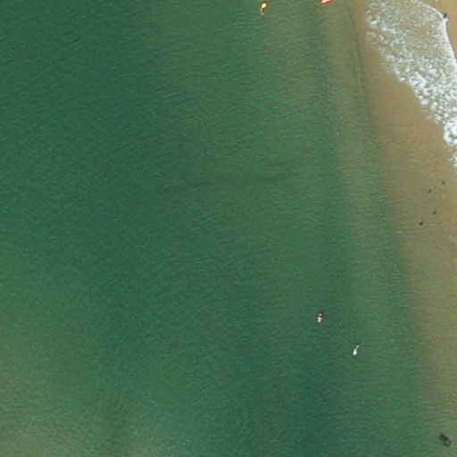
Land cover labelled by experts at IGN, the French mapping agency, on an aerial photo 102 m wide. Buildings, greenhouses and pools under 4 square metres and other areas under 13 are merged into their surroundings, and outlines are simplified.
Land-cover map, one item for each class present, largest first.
<instances>
[{"label":"water","instance_id":"1","mask_svg":"<svg viewBox=\"0 0 457 457\"><path fill-rule=\"evenodd\" d=\"M414 9V2L411 0H0V457H457V166L455 157L448 150L450 145L443 137L445 127L437 121L430 120L427 105L421 104V84L425 80V73L421 66L420 45L414 41L412 32L411 11Z\"/></svg>","mask_w":457,"mask_h":457},{"label":"bare soil","instance_id":"2","mask_svg":"<svg viewBox=\"0 0 457 457\"><path fill-rule=\"evenodd\" d=\"M414 2V9L411 11L412 32L414 41L420 45L421 66L425 73V80L421 84V104L427 105L430 120L437 121L445 127L443 137L450 145L448 150L455 157L457 166V0H411Z\"/></svg>","mask_w":457,"mask_h":457}]
</instances>
